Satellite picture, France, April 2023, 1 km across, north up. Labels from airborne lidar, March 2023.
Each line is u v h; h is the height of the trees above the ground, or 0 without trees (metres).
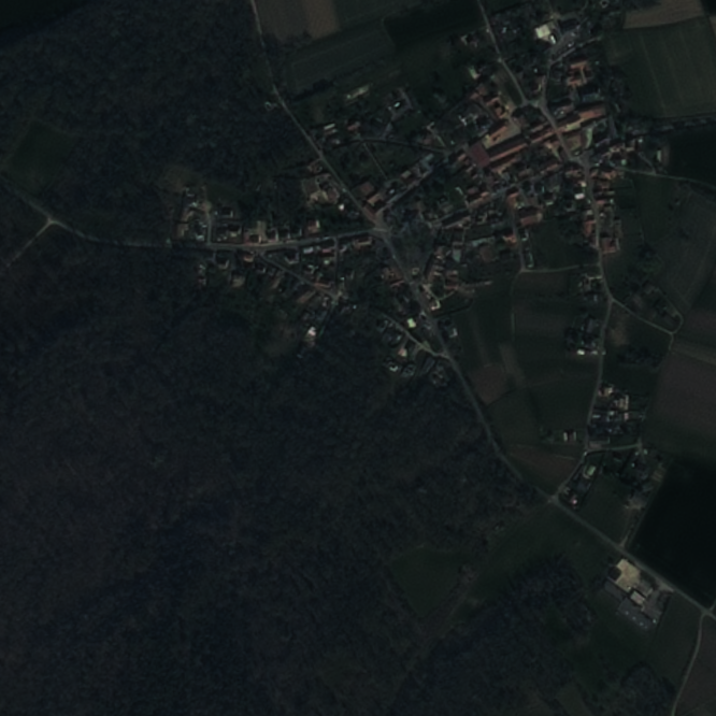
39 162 0
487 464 17
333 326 10
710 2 0
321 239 0
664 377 0
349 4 0
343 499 29
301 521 23
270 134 26
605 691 16
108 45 28
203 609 7
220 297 11
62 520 22
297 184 6
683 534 0
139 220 25
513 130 0
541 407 0
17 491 18
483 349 0
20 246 25
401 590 14
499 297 0
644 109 0
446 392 9
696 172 0
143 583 18
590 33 17
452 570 0
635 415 0
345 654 18
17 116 26
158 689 19
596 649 0
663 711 15
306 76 0
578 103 0
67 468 24
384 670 23
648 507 0
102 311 18
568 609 11
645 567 0
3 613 22
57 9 0
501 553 0
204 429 21
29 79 26
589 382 0
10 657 22
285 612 25
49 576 20
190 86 23
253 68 28
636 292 8
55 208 29
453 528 8
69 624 21
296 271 8
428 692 18
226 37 31
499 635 24
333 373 20
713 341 0
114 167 28
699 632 0
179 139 29
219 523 19
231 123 27
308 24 0
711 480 0
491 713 18
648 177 0
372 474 25
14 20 0
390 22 0
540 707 0
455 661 21
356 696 8
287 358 0
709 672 0
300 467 26
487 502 15
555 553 0
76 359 21
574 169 0
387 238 0
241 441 23
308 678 22
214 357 22
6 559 20
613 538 0
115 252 21
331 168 0
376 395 27
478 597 0
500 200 0
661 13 0
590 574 0
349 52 0
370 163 10
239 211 0
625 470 6
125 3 26
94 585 9
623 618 0
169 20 27
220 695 14
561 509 0
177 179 0
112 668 15
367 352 18
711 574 0
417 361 0
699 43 0
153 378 22
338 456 23
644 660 0
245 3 23
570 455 0
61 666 16
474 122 8
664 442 0
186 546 21
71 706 8
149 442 26
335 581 16
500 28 7
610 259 0
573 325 0
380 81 0
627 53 0
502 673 19
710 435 0
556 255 0
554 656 18
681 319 0
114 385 17
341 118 8
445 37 0
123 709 17
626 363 11
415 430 12
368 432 24
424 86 0
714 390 0
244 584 19
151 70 31
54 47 29
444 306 0
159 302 22
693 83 0
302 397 22
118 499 20
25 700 23
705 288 0
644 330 0
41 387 21
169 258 12
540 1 17
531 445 0
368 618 25
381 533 25
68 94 30
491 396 0
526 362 0
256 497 26
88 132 20
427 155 0
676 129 16
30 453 19
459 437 19
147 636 15
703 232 0
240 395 21
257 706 20
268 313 0
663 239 0
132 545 17
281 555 17
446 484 20
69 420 22
